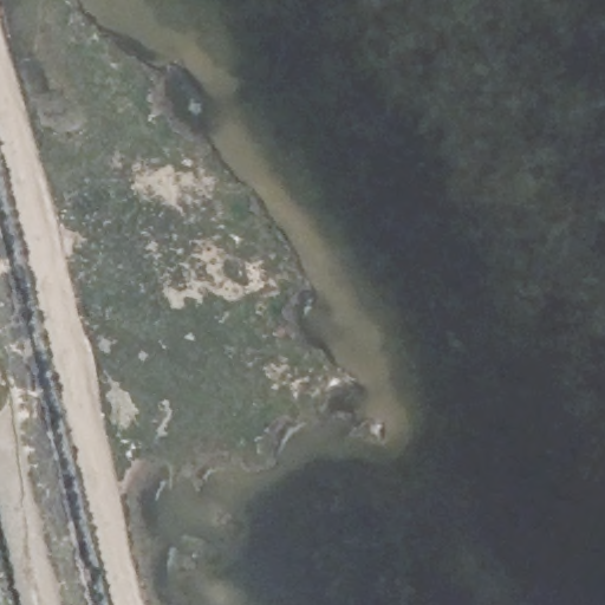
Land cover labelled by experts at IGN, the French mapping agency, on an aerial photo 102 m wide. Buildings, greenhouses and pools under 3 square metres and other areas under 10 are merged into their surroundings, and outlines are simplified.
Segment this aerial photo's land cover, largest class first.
<instances>
[{"label":"water","instance_id":"1","mask_svg":"<svg viewBox=\"0 0 605 605\"><path fill-rule=\"evenodd\" d=\"M40 0H0V28L17 78L21 73L28 76L40 66L33 54V38ZM83 17L90 24H95L104 38H109L118 50L137 57L156 71V76L165 83V99L173 106L170 118L184 123L194 137L210 147L213 158L220 163V168L227 170L236 184L251 191L260 213L284 234L298 274L310 281V288L298 293V300L288 314H293L295 328L303 336V340L310 347H319L333 366L343 369L338 378L328 380L333 395L321 414H317L310 421L281 423L277 432L272 468L251 473L239 466H232L213 473L201 489H194L187 480H182L175 487L165 489L158 499L147 487L139 492L144 529L158 544V555L151 560V593L161 605H605V0H76Z\"/></svg>","mask_w":605,"mask_h":605},{"label":"herbaceous vegetation","instance_id":"2","mask_svg":"<svg viewBox=\"0 0 605 605\"><path fill-rule=\"evenodd\" d=\"M33 54L40 66L28 76L21 73L17 78L31 135L38 149V158L54 203L57 222L73 232V253L66 267L71 286L76 291L83 331L90 340L97 366L99 406L104 414V430L111 449L116 489L121 492L130 560L135 567L144 605H161L151 593V560L158 555V544L144 529L139 492L147 487L158 499L165 489L175 487L182 480H187L194 489H201L213 473L232 466H239L251 473L272 468L277 432L281 423L310 421L317 414H321L333 395L328 380L338 378L343 369L333 366L319 347H310L303 340V336L295 328L293 314H288L298 300V293L310 288V281L298 274L284 234L260 213L251 191L236 184L227 170L220 168V163L213 158L210 147L194 137L184 123L170 118L173 106L165 99V83L156 76V71L137 57L118 50L109 38H104L95 24H90L83 17L76 0H40L33 38ZM135 161H142L149 170H161L170 165L173 170L189 173L194 177L213 175V194L203 203L177 201L168 206L161 196H156L154 201H142L139 194L132 189ZM208 236L220 239L217 248L222 251V269L227 279H232L234 284H248V262H260L262 288L239 300H227L222 295L206 293L203 300L189 298L182 307H173L170 300L163 295L165 288L184 291L189 281H208L213 277L208 274L206 262L196 253V239ZM281 357L288 359V369L279 373V390H272L265 366L277 364ZM116 380L137 406V414L128 428L113 423L109 388ZM52 343L45 326V312L38 303L28 243L19 220V208L12 189V173L0 139V385L7 390L38 388V369L31 354L50 352ZM21 442L26 447H33V454H28V482L40 518L47 562L52 567L59 591V605H92L87 584L90 574L78 553L64 480L54 477L57 449L52 430L40 425L38 418H26L21 423ZM0 605H21V596L14 581V567L9 560V546L0 520Z\"/></svg>","mask_w":605,"mask_h":605},{"label":"pervious surface","instance_id":"3","mask_svg":"<svg viewBox=\"0 0 605 605\"><path fill-rule=\"evenodd\" d=\"M0 139L12 173V189L19 208V220L28 243L38 303L45 312V326L52 343L50 352L31 354L38 369V388L7 390L0 385V520L9 546V560L14 567V581L21 596V605H59V591L52 567L47 562L40 518L28 482V454H33V447H26L21 442V423L26 418H38L40 425L52 430L57 449L54 477L64 480L78 553L90 574L87 584L92 605H144L135 567L130 560L121 492L116 489L111 449L104 430V414L99 406L97 366L90 340L83 331L76 291L71 286L66 267L73 253V232L57 222L54 203L38 158V149L31 135L17 78L0 28ZM113 423L128 428L137 414V406L116 380L109 388Z\"/></svg>","mask_w":605,"mask_h":605},{"label":"bare soil","instance_id":"4","mask_svg":"<svg viewBox=\"0 0 605 605\"><path fill-rule=\"evenodd\" d=\"M132 189L139 194L142 201H154L156 196H161L168 206L177 201L203 203L213 194V175L194 177L189 173L173 170L170 165L161 170H149L142 161H135ZM220 239L208 236L196 239V253L206 262L208 274L213 277L208 281H189L184 291L165 288L163 295L170 300L173 307H182L189 298L203 300L206 293L222 295L227 300H239L262 288L260 262H248V284H234L232 279H227L222 269V251L217 248ZM288 369V359L281 357L277 364L265 366L272 390H279V373Z\"/></svg>","mask_w":605,"mask_h":605}]
</instances>
